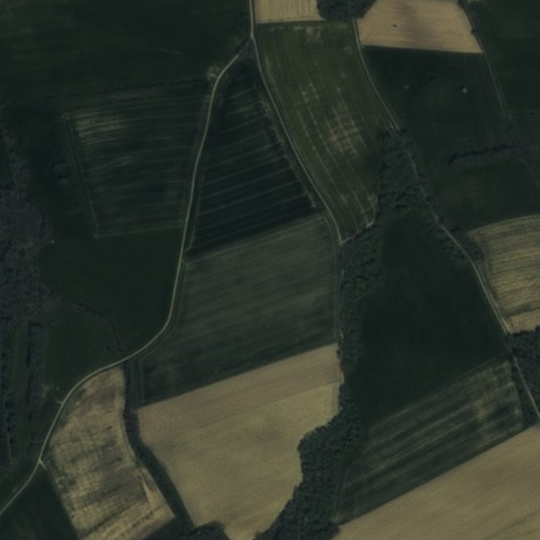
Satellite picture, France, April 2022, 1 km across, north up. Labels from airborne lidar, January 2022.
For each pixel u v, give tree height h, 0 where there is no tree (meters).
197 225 0
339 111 0
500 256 0
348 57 0
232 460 0
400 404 0
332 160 0
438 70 0
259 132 0
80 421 0
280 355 0
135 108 0
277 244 0
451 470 0
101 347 0
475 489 0
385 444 0
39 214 6
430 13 0
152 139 0
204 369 0
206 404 0
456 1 0
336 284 0
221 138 0
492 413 0
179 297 0
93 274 0
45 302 21
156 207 0
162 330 0
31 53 0
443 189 0
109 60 0
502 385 0
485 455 0
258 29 0
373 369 0
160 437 0
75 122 0
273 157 0
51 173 0
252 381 0
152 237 0
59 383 0
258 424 0
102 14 0
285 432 0
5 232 17
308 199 0
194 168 0
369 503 0
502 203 0
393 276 0
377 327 0
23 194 20
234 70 0
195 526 0
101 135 0
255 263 0
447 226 19
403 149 23
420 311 0
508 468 0
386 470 0
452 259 16
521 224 0
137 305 0
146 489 0
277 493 0
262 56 0
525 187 0
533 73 0
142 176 0
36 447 16
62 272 0
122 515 0
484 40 0
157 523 0
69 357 0
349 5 16
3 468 16
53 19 0
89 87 0
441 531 0
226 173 0
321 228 0
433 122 0
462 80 0
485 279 0
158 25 0
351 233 0
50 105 12
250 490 0
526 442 0
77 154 0
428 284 0
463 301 0
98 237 0
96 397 0
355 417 15
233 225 0
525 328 0
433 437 0
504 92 0
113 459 0
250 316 0
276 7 0
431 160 0
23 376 0
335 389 0
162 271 0
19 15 0
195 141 0
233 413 0
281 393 0
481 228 0
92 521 0
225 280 0
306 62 0
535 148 0
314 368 0
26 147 0
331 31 0
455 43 0
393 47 0
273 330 0
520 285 0
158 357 0
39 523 0
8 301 23
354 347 20
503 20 0
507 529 0
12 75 0
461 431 0
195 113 0
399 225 0
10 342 23
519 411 0
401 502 0
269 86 0
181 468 0
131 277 0
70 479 0
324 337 0
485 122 0
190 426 0
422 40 0
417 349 0
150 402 0
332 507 18
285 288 0
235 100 0
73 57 0
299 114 0
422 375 0
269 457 0
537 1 0
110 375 0
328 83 0
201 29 0
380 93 0
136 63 0
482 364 0
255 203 0
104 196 0
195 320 0
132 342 0
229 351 0
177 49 0
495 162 18
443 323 0
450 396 0
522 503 0
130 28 0
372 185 0
